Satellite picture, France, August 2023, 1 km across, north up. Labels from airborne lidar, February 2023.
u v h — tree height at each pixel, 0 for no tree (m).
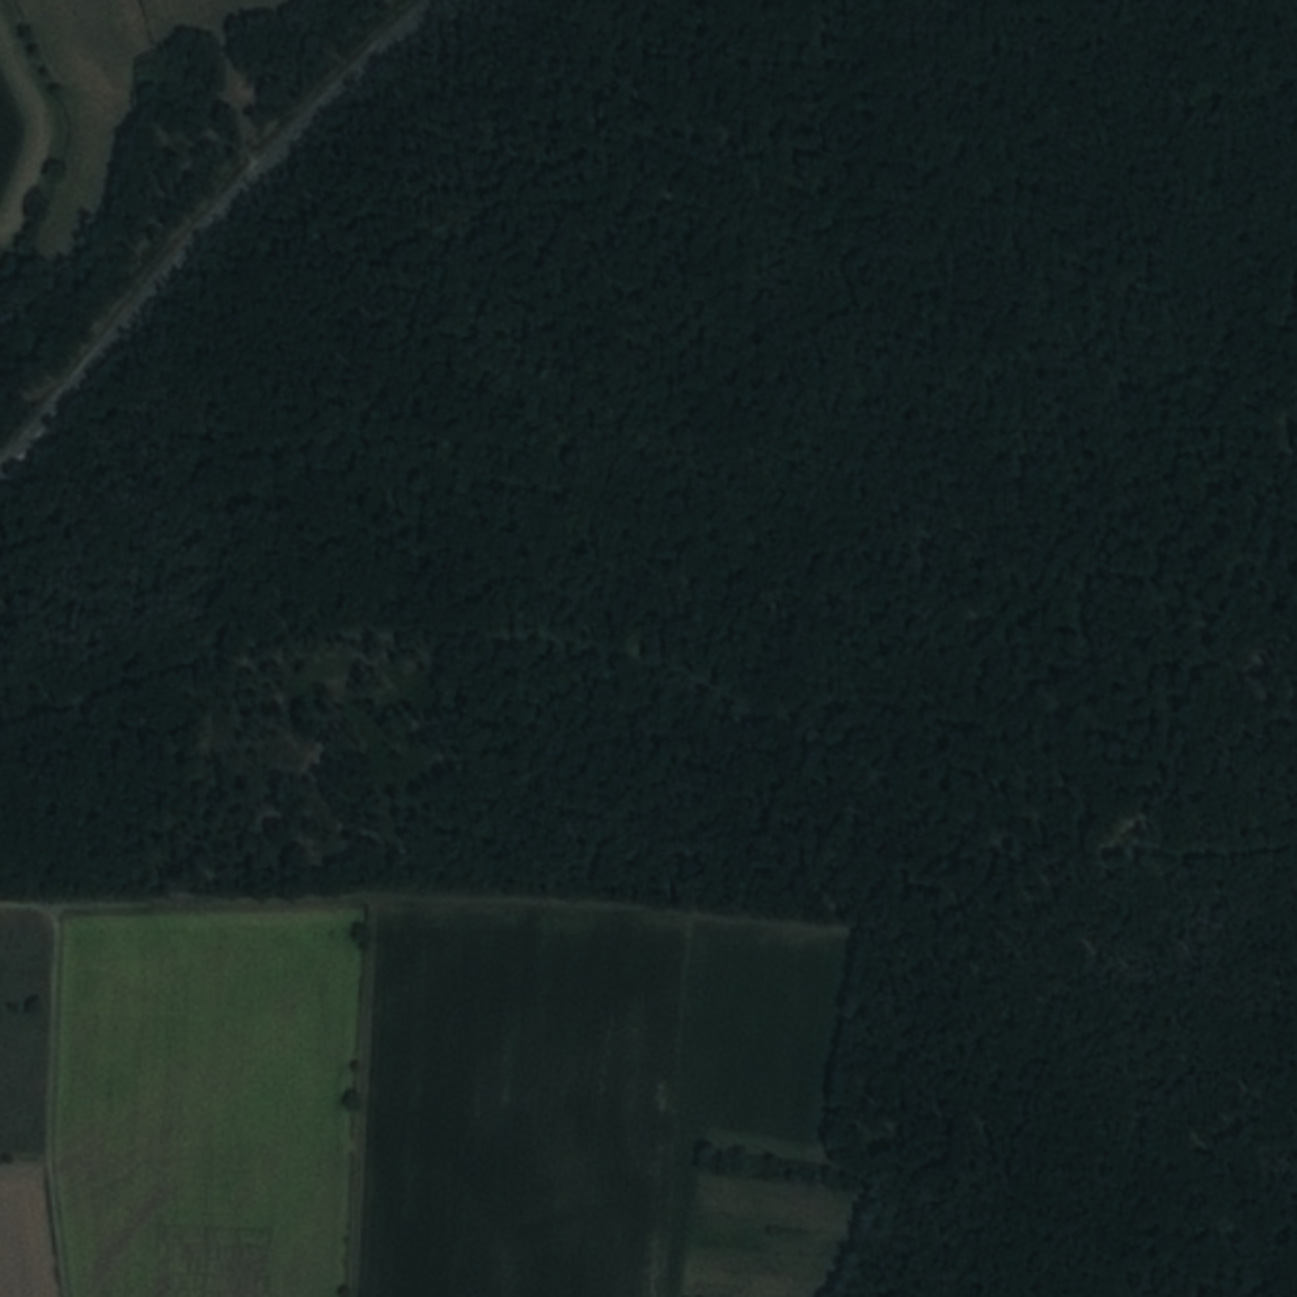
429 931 0
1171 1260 26
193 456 22
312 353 20
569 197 24
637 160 27
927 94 19
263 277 20
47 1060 0
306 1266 0
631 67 25
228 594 18
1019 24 23
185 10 0
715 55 22
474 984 0
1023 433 21
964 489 19
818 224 24
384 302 20
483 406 24
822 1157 0
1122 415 25
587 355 25
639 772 24
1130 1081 21
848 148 23
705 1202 0
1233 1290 22
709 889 21
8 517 20
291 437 24
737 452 22
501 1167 0
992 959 22
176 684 22
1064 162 24
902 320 21
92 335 17
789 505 22
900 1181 25
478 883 19
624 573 23
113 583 16
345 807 23
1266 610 27
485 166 20
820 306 23
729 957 0
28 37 13
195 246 0
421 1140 0
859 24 22
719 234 23
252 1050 0
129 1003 0
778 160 24
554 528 25
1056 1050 22
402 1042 0
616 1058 0
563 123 21
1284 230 22
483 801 24
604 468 21
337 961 0
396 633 20
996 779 27
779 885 24
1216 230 23
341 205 21
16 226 0
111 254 16
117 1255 0
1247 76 22
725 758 25
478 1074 0
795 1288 0
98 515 21
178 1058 0
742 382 21
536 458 21
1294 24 21
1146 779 25
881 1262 19
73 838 22
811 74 23
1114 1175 21
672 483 22
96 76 0
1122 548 23
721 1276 0
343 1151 0
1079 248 24
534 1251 0
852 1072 22
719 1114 0
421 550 21
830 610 21
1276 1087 23
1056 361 24
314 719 28
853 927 19
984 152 21
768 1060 0
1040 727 29
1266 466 25
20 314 20
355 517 20
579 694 21
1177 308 24
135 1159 0
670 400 23
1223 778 22
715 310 22
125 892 14
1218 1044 21
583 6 25
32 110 0
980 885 27
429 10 0
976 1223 22
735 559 24
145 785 25
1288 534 25
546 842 20
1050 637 26
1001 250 23
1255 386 25
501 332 21
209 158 18
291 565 17
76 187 0
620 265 27
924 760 23
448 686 26
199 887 20
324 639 20
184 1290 0
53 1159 0
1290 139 22
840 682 25
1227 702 26
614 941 0
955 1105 23
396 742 26
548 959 0
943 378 25
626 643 23
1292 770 22
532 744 22
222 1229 0
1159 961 22
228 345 19
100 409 19
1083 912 21
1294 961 21
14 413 17
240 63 18
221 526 19
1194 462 27
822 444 23
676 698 24
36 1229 0
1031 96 25
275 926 0
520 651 16
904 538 23
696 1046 0
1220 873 20
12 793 21
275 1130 0
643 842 22
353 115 19
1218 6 24
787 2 23
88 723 8
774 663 20
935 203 25
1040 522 24
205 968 0
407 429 25
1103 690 25
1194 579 25
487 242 22
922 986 25
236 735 0
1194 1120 22
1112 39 22
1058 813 26
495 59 23
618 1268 0
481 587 25
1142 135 22
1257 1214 22
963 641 23
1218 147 21
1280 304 22
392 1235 0
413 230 9
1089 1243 25
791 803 22
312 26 21
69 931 0
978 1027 24
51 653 23
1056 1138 22
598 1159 0
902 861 23
